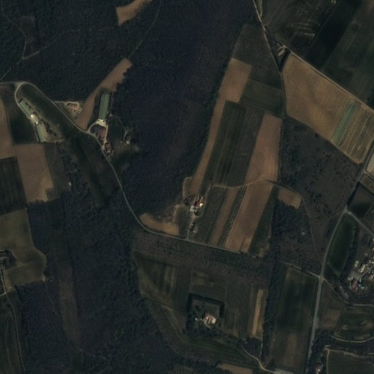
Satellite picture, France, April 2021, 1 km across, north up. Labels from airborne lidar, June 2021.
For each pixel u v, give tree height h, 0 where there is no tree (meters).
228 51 12
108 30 14
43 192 0
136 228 7
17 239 0
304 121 0
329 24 0
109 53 8
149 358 15
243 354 0
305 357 0
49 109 0
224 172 0
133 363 13
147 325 11
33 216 10
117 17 16
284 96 0
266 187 0
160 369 11
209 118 9
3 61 11
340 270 0
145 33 8
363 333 0
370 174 0
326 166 0
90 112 0
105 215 17
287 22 0
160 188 15
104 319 15
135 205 7
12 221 0
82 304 24
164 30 18
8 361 0
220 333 12
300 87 0
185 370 6
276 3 0
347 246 0
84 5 17
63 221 10
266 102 0
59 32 22
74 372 8
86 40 14
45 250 8
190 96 15
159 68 14
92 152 0
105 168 0
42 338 17
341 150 0
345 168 9
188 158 8
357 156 0
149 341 17
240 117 0
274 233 12
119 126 9
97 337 12
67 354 17
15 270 0
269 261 15
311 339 0
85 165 0
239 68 0
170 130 16
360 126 0
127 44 8
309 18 0
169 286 0
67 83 9
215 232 0
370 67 0
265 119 0
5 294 0
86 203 11
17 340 6
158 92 17
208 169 0
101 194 0
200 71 7
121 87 19
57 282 13
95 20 17
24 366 9
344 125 0
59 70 9
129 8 0
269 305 13
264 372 0
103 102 0
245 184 0
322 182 0
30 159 0
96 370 11
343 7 0
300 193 0
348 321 0
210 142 0
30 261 0
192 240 0
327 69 0
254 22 10
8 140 0
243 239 0
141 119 17
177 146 8
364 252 0
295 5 0
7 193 0
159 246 6
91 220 10
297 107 0
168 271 0
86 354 12
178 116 14
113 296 11
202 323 14
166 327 5
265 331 8
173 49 17
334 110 0
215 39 13
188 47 17
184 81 11
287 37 0
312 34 0
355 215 0
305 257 6
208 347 0
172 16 18
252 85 0
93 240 14
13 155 0
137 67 21
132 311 16
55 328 19
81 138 0
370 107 0
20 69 13
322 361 13
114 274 15
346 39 0
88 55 11
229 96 0
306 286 0
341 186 0
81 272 21
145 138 16
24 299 21
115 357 16
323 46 0
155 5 12
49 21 9
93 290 15
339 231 0
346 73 0
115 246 22
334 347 10
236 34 11
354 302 7
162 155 15
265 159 0
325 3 0
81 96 11
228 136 0
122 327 15
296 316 0
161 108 20
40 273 0
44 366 15
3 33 12
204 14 20
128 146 0
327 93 0
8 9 10
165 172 14
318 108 0
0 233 0
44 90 7
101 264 18
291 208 9
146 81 24
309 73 0
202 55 8
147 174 15
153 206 12
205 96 14
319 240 0
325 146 0
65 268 6
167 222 0
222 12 14
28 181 0
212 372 15
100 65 10
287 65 0
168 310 0
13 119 0
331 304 0
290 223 8
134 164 15
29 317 20
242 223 0
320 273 0
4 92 0
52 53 18
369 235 0
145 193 14
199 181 0
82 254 24
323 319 0
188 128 8
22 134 0
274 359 0
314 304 0
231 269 7
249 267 6
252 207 0
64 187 0
